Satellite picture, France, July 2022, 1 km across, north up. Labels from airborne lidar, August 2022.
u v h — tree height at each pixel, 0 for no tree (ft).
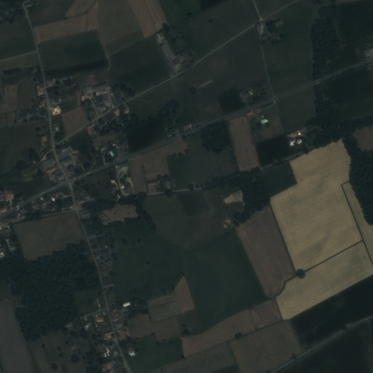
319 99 58
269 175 0
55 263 75
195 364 0
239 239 0
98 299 0
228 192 0
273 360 0
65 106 0
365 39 0
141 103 0
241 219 67
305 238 0
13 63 0
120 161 0
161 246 0
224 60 0
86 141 0
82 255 70
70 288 80
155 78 0
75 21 0
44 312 69
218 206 0
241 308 0
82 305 0
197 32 0
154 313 0
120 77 0
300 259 0
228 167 0
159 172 0
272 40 25
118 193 19
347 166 0
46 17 0
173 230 0
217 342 0
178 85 0
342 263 0
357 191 73
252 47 0
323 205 0
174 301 0
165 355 0
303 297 0
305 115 0
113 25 0
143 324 0
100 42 0
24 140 0
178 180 0
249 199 93
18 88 0
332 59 58
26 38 0
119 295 0
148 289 0
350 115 0
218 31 0
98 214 18
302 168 0
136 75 0
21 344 0
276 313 0
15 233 0
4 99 0
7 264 76
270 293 0
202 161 0
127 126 20
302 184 0
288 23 0
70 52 0
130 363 0
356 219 0
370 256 0
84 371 0
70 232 0
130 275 0
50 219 0
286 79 0
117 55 0
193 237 0
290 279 0
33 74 0
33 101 41
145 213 66
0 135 0
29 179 0
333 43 73
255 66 0
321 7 0
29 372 0
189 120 0
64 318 57
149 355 0
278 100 0
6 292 0
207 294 0
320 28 83
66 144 0
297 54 0
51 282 88
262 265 0
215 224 0
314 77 21
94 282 75
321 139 63
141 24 0
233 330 0
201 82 0
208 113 0
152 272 0
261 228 0
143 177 0
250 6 0
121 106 31
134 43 0
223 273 0
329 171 0
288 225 0
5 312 0
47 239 0
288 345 0
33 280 93
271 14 0
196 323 0
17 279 83
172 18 0
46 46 0
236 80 0
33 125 0
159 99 0
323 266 0
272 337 0
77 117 0
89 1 0
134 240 0
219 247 0
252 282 0
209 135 59
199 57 0
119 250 0
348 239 0
